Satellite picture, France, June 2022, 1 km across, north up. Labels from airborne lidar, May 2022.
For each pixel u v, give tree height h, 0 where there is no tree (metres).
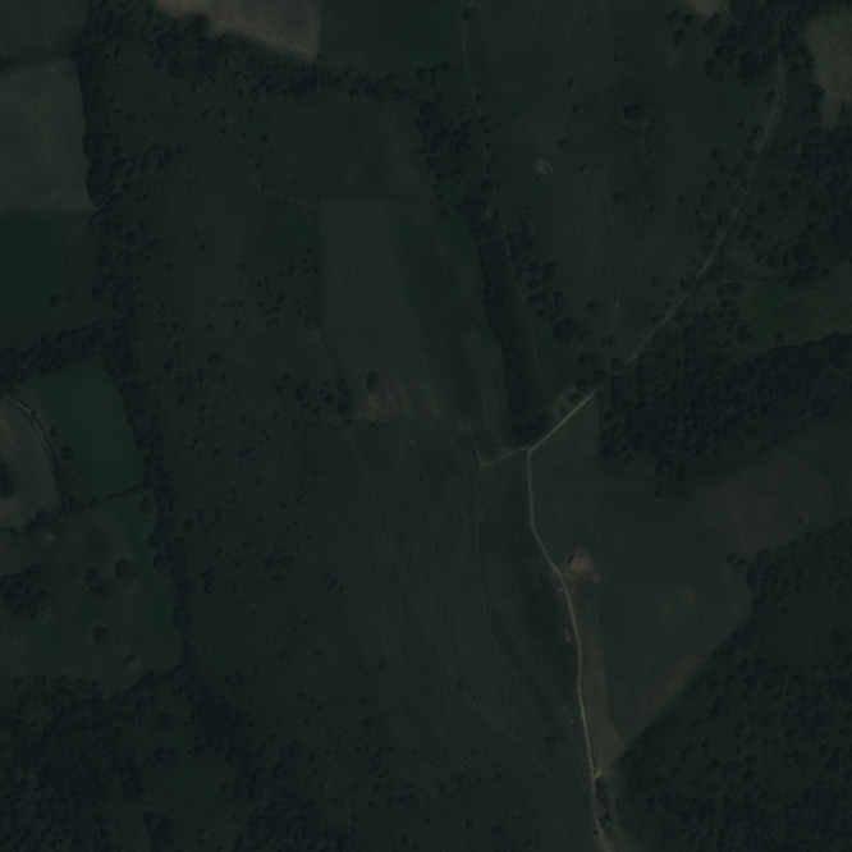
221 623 0
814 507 0
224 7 0
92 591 12
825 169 17
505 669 0
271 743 10
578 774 0
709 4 0
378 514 0
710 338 17
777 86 0
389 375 0
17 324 0
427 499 0
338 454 0
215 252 0
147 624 0
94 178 14
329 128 0
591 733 0
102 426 0
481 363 0
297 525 8
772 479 0
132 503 0
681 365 15
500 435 0
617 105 0
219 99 0
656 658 0
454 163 11
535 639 0
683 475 8
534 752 0
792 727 13
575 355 0
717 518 0
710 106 0
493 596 0
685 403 18
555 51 0
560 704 0
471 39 0
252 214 0
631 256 0
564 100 0
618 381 16
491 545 0
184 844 0
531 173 0
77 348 16
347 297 0
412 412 0
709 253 10
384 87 6
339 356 0
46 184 0
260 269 0
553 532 0
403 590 0
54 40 0
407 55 0
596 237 0
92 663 0
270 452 0
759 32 15
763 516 0
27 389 0
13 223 0
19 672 0
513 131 0
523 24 0
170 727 9
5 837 10
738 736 13
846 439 0
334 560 0
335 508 0
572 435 0
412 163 0
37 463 0
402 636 0
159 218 0
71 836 13
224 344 0
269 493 0
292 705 0
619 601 0
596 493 0
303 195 0
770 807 13
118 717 7
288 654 6
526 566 0
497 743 0
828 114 0
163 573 16
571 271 0
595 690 0
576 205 0
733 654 16
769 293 0
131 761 13
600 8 0
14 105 0
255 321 0
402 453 0
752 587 11
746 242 12
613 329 0
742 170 10
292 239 0
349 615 0
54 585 0
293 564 6
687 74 0
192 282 0
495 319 11
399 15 0
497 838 10
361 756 11
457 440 0
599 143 0
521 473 0
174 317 0
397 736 0
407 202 0
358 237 0
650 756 7
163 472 16
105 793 16
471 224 7
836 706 12
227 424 0
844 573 12
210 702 16
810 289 9
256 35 0
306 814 12
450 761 0
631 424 18
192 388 12
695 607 0
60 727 11
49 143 0
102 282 8
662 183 0
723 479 0
